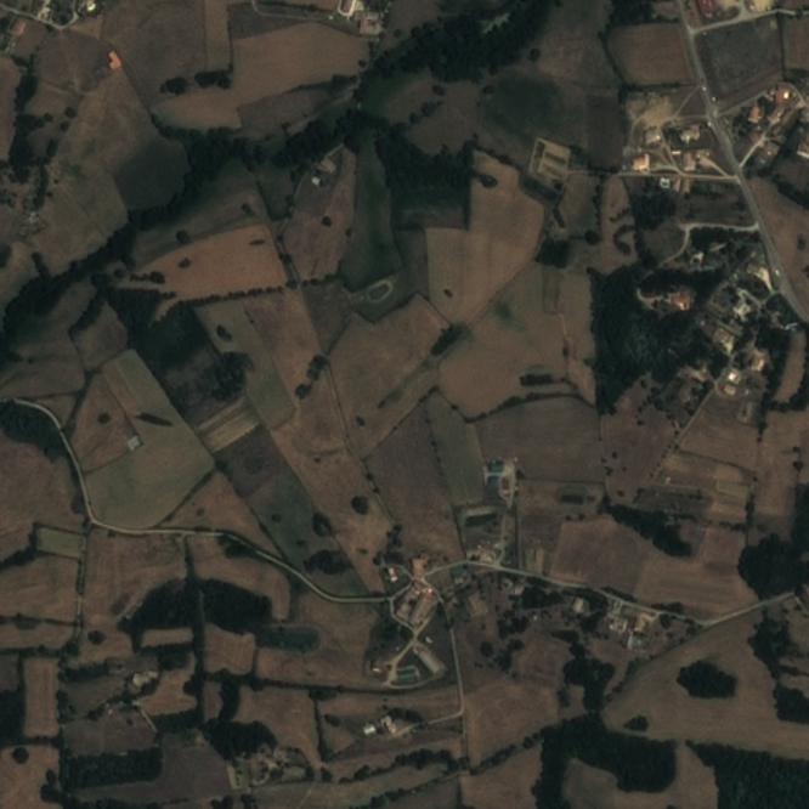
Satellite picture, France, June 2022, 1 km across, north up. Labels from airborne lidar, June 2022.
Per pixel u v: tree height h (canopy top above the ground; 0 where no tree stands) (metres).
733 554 0
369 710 0
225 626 11
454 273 0
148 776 9
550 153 0
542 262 10
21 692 10
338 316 0
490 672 0
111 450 0
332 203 0
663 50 0
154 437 0
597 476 0
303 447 0
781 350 9
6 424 10
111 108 0
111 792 0
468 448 0
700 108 0
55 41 0
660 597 0
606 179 7
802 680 0
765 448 0
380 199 0
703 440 0
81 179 0
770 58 0
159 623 8
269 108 0
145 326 11
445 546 0
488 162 0
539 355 0
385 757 0
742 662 0
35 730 0
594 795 0
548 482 0
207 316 0
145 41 0
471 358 0
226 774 0
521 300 0
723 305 0
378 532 0
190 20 0
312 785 0
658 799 0
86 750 0
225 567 0
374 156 0
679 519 7
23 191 0
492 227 0
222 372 9
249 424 0
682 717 0
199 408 0
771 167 6
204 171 15
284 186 0
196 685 9
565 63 0
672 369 9
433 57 22
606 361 10
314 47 0
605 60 0
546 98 0
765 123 0
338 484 0
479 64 20
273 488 0
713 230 7
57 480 0
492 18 15
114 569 0
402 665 0
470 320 0
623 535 0
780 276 0
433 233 0
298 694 0
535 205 0
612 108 0
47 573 0
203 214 0
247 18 0
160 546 0
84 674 14
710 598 0
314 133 19
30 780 0
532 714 0
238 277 0
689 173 0
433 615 0
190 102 0
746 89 0
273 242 0
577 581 0
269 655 0
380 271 0
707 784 0
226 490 0
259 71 0
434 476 0
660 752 11
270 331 0
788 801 10
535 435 0
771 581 13
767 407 8
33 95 9
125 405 0
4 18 8
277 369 0
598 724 11
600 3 0
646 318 7
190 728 6
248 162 15
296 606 0
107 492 0
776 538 13
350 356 0
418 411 0
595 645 0
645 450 0
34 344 0
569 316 0
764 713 0
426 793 0
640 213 9
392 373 0
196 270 0
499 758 8
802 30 0
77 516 0
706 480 0
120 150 0
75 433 0
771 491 0
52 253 0
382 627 0
